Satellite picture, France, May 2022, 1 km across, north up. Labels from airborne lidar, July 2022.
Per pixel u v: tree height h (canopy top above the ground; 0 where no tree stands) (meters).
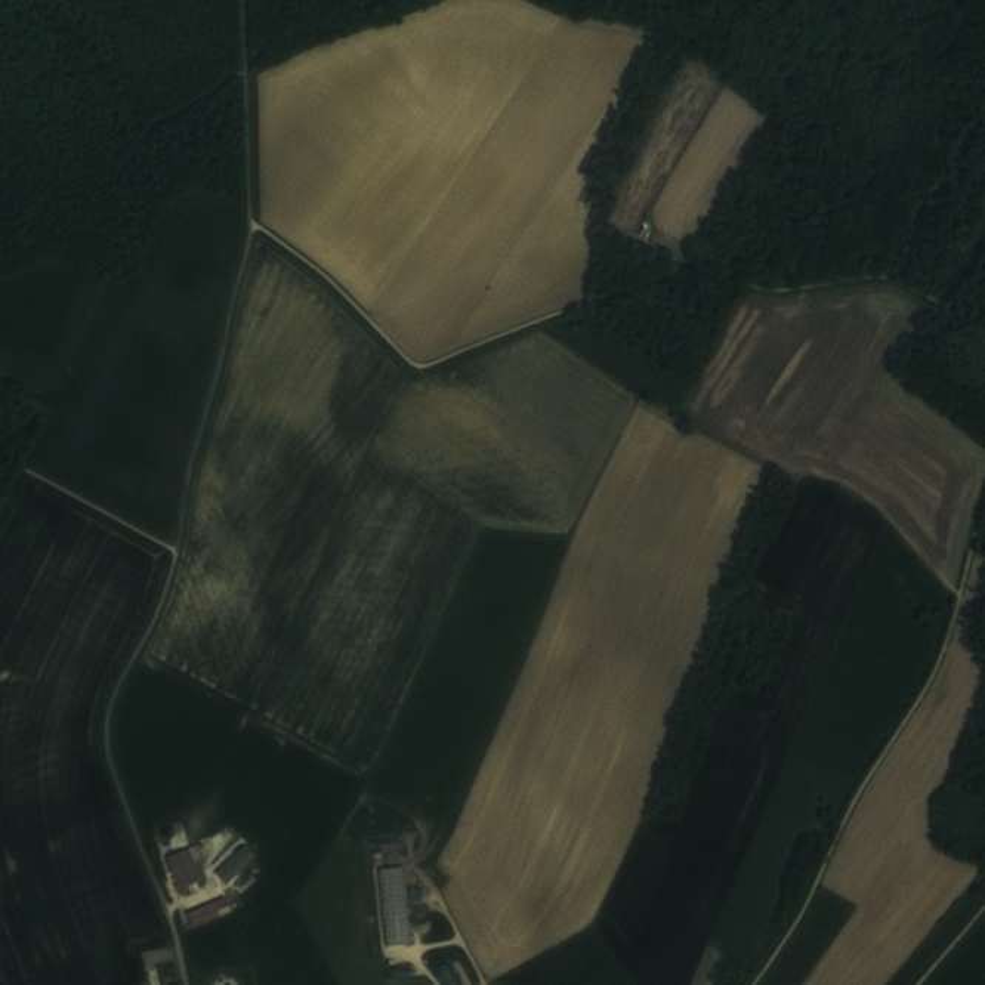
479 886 0
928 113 25
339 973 0
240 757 0
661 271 19
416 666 0
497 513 0
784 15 24
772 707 0
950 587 0
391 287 0
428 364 0
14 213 16
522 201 0
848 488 0
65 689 0
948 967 0
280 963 0
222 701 0
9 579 0
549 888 0
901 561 0
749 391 0
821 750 0
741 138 0
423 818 0
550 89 0
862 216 27
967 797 16
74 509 0
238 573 0
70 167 19
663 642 0
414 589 0
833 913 0
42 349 0
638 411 0
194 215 0
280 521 0
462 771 0
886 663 0
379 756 0
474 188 0
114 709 0
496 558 0
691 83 0
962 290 24
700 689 17
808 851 20
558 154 0
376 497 0
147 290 0
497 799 0
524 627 0
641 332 12
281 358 0
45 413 13
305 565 0
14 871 0
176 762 0
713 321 20
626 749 0
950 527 0
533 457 0
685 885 0
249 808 0
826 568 0
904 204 29
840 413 0
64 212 19
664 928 0
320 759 0
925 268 28
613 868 0
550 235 0
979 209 25
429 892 0
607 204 24
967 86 28
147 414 0
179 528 0
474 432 0
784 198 23
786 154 23
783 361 0
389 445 0
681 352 21
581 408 0
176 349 0
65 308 0
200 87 17
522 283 0
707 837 0
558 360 0
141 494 0
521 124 0
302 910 0
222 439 0
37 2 21
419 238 0
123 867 0
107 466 0
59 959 0
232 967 0
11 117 18
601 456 0
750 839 0
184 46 15
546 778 0
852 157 28
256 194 0
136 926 0
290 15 15
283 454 0
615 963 0
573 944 0
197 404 0
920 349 25
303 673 0
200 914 0
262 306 0
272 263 0
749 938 0
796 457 0
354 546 0
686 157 0
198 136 17
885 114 28
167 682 0
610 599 0
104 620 0
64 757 0
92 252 21
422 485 0
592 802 0
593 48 0
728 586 19
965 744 15
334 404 0
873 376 0
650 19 18
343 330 0
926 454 0
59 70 20
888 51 26
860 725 0
